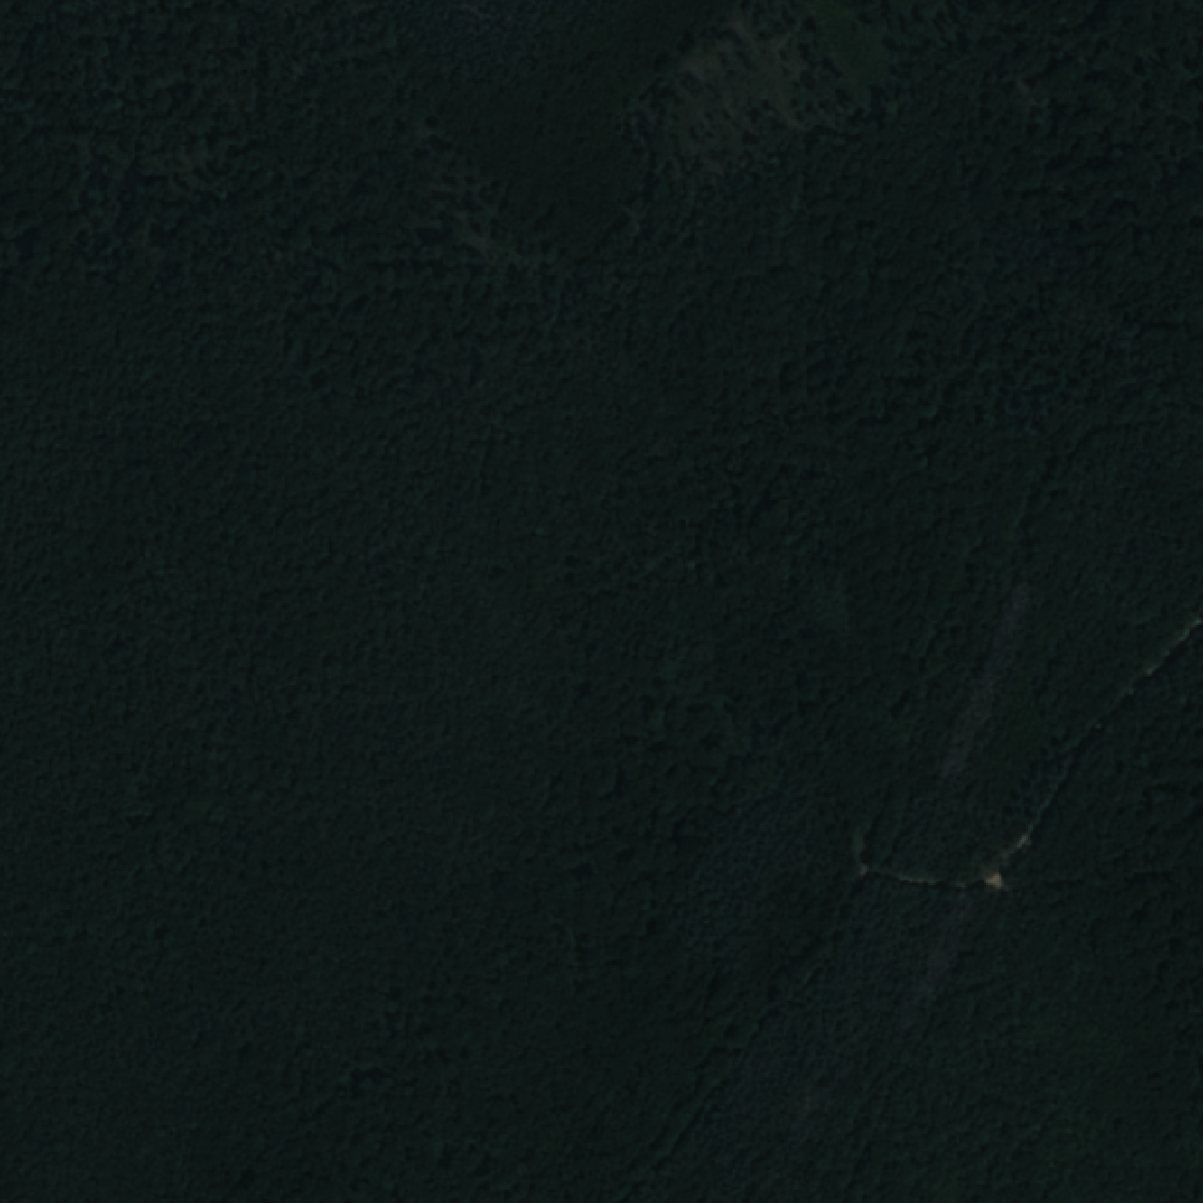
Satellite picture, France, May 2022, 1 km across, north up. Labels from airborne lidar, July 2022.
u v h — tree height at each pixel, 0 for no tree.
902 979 18
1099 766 19
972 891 11
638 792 29
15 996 14
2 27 25
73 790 11
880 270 25
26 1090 14
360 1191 23
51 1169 14
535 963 21
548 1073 23
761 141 6
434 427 16
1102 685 18
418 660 14
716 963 20
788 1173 10
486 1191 25
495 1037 18
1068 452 9
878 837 17
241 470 18
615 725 24
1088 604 19
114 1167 17
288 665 23
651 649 18
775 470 14
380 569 17
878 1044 15
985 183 27
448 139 11
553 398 18
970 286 25
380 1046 22
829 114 19
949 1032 17
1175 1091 23
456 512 14
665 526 20
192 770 20
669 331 20
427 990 19
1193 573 14
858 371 22
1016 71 28
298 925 15
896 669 23
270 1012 14
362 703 15
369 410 22
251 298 17
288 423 17
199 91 13
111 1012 13
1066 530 19
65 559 21
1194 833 29
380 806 15
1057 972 21
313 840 19
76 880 13
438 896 17
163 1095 15
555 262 23
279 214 24
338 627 19
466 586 12
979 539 18
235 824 17
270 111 19
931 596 27
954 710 9
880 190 21
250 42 19
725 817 26
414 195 24
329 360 25
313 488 10
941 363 23
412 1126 22
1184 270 25
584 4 18
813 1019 15
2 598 14
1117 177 29
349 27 14
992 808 10
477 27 20
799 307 21
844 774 14
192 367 16
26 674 13
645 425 21
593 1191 14
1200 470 19
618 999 24
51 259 31
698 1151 16
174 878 15
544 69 14
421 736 14
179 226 27
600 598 14
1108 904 22
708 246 17
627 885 23
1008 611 19
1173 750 25
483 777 16
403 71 18
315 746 16
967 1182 11
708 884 28
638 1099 13
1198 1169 11
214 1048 22
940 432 24
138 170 30
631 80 12
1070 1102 12
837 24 0
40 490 16
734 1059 13
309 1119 19
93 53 25
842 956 17
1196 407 17
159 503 17
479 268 19
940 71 19
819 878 15
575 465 21
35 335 18
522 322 17
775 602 22
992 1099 13
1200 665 16
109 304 17
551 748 20
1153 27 23
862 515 23
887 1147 17
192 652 15
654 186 20
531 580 26
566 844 22
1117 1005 23
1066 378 7
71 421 13
